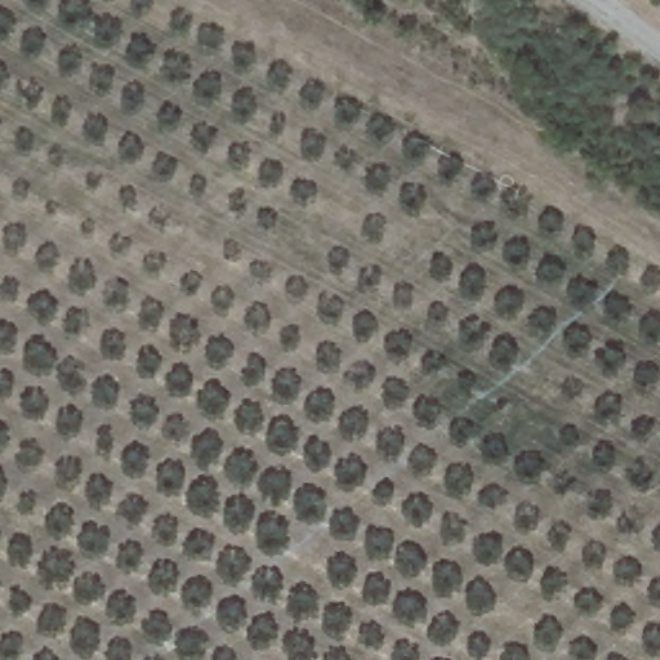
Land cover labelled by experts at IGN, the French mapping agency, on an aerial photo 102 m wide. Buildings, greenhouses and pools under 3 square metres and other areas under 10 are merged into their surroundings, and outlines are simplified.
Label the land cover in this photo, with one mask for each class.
<instances>
[{"label":"herbaceous vegetation","instance_id":"1","mask_svg":"<svg viewBox=\"0 0 660 660\"><path fill-rule=\"evenodd\" d=\"M62 0H0V175H5L13 183L15 196L26 199L31 193L39 201H44L49 214H70L75 206L85 204V193L90 188H98L101 183H111L116 191H121V186H131L137 201L142 196L157 199L160 206L155 211L162 214L168 224L191 227L199 237L219 242L224 248V240H235L240 245V258L248 266L253 260H266L273 273L281 271L289 278L286 286L281 291H273L266 302L271 309V325L266 330H250L245 325L248 307L235 299L224 315H219L211 299L191 315L199 320V340L191 348H173L170 322L180 312L175 307H165L157 327H142L139 309L126 302L111 307L106 302L95 309H88V327L80 330V335H72L64 333V317L75 307L72 296L77 294L70 289V278L59 281L52 271H41L31 284L23 286H18V281L10 276L0 284V320H8V322H13V325H15V343H13V351H8V353H3V351H0V588L10 593L18 585L31 596V606L23 614H15L10 603L0 606V637L5 632H21V650L36 655L46 647L59 660H106L108 642L113 637L129 639L131 660H180L175 650L162 652V642H152L142 632L144 619L155 608L170 616V634L165 637L168 642H175L180 629L188 626L206 632L201 660H289L284 650L286 632L307 629L312 634L315 629H320L325 621L327 603H345L351 608V624L358 629L364 621H376L384 632L382 647L389 652L394 650L397 639L418 645V660H503V650L508 642H523L529 647L531 660H575L570 655V642L575 637H590L596 642L598 650L593 660H660V655H647L642 629L650 621H660V371L657 382L645 389V394H639L634 384V366L639 361L660 364V340L652 343L639 333V320L647 309H660V245L652 240L634 235L626 248L629 271L611 276L603 286H598L590 304L578 309L570 302L567 281L559 278L557 284H541L536 278V260L529 258L523 266H510L503 258L505 242L510 237H531L539 229V214L547 206L541 199L531 196L526 214L510 217L500 204L503 191L495 186L487 199L480 201L472 193L474 173L464 165L451 183L441 178L438 160L449 152H456L454 139L431 137L428 155L423 160H410L402 152V139L418 129L415 113H397L394 119V131L384 142H379L366 131L371 113L376 111L374 106L361 103V113L353 124L335 121V103L327 98H322L315 108H307L299 98V90L307 80H312L307 70L291 67V77L284 90H276L268 83V72L260 77L250 67L240 72L232 59H222L217 49L199 44V28L204 23L199 15H191V26L186 34L170 26L155 28L150 23L144 13L152 8V0H90L95 13H111L121 21L119 39L111 46L101 49L95 44V23L85 21L64 26L59 21ZM26 28L44 31L46 41L41 54L21 52V39ZM131 34H147L155 44V54L139 67L126 59ZM70 44L80 49V67L72 75L59 70V52ZM168 49L183 52L191 59V72L183 83H168L162 75V59ZM95 64L113 67V83L108 93H101L90 85V70ZM209 70L222 72V93L214 101L196 98L193 93L199 75ZM15 77H39L44 95L36 106H28L26 98L15 93ZM137 80L144 85V101L139 111L126 113L121 106V93L129 83ZM240 88H250L255 95V113L245 124H240L232 111V95ZM57 95L70 98L72 111L67 116V124H57L52 119V106ZM168 101L180 106V124L170 131H160L157 111ZM90 113H103L108 119V131L103 142H90L83 131L85 119ZM193 124L217 126V139L206 152L196 150L191 139ZM304 129H317L320 134H325V150L317 160L302 157ZM124 131H137L142 137L144 150L134 162H126L119 155V139L124 137ZM232 142L250 144V160L240 170H232L227 160V150ZM160 152L173 155L178 162L175 173L168 180H162L152 170V162ZM263 160L281 162L284 173L276 186L260 183L258 170ZM374 162L389 165V183L382 193H371L366 188V168ZM296 178L317 183V196L307 204L291 196V183ZM402 183L425 186V204L418 214H407L402 209ZM366 214H384V235L379 242H371L361 229ZM485 219L495 222L498 240L492 248L482 250L472 245V227L474 222ZM335 245L348 250V266L340 273H333L327 260V253ZM433 253H443L451 260V273L443 281H436L431 276ZM469 263H480L485 268V291L477 299H467L459 291L461 271ZM364 266L382 268L379 284L366 291L356 286L358 271ZM400 281L413 284L410 307H397L392 299L394 284ZM503 286H518L523 291V304L513 317H500L495 309V294ZM41 289L57 296V309L49 322H39L28 312V296ZM322 291L343 299V315L338 322H325L320 317L317 296ZM611 291L626 294L632 302V312L606 325L603 302ZM544 304L557 309V322L549 333L529 327V315ZM361 309H369L376 317V330L369 340H358L353 333V317ZM428 312L431 320L443 322L446 333L454 340L459 338V322L469 315H480L485 322H490V330L474 348V364H485L490 358L492 343L503 333L513 335L518 343L516 361L485 389H472L480 405H474V410L467 415L474 420V431L472 438H467L464 443L456 446L451 441L449 423L441 418L436 420V425H420L413 413L415 397L410 394L397 407L384 405V382L389 376H413L420 369L423 358L410 353L407 358H392L384 348V338L392 330H407L415 322V317H423ZM572 322H583L590 327V343L580 356H572L562 340L565 327ZM106 330L124 333L121 358L103 356L101 335ZM31 335H44L59 356H72L83 364L80 392H67L59 384L57 371L34 374L26 369L23 348ZM214 335H224L232 340L235 351L224 366H211L206 358V343ZM322 340H333L340 348V364L330 371H322L317 366V345ZM606 340H621L626 353V361L611 376L603 374V369L596 361V351L603 348ZM144 345H155L160 353V366L155 376H142L137 369V358ZM250 353H260L266 358V371L255 384H245L242 379V369L248 366ZM356 361H369L376 369L374 379L364 389H356L351 382H345V371H353ZM175 364H188L193 374L188 394L183 397H175L165 384ZM278 369H296L302 376L299 392L289 402H278L273 394V376ZM101 376H113V382L119 384V400L113 407H101L93 400V384ZM209 379H219L229 389V402L219 418L204 415L196 402L199 392ZM565 379H580L583 392L593 397L608 389L619 392L621 415L603 423L590 413L578 425L580 443L554 456L536 480L521 482L516 474V456L521 451H541L547 443H554L559 438L562 425H567L565 418L570 413L572 400L559 392ZM26 387H41L46 392L49 407L41 418H28L23 413L21 394ZM317 387H327L335 397L333 410L325 420H312L304 410L307 397ZM139 394H150L157 402V418L152 425H137L131 420V400ZM242 400H253L263 407L258 431L237 428L235 413L242 405ZM67 405H75L83 413V428L75 436H59L57 431V413ZM348 407H364L369 413L366 433L353 436L351 441L338 431L340 415ZM173 413H180L188 423L180 441H173L162 433L165 420ZM273 415H289L296 425V443L286 454H276L268 449L266 436ZM394 425L402 428L405 443L397 459L387 461L376 449V433ZM206 428L219 433L222 449L211 464H196L191 443ZM490 433H503L508 438V456L498 464L482 459L480 443ZM309 436H317L330 446V456L322 469H312L304 459V446ZM26 438H36L44 451V459L36 467H21L15 461L21 441ZM134 441L144 443L150 451L147 467L137 477L126 474L121 464L124 449ZM598 441H611L616 446V461L606 472H601L593 461V449ZM418 443H428L436 449L433 469L420 477L413 474L407 464ZM240 446L250 449L260 467H286L294 482L322 487V523L330 526L333 513L338 508H353V513L358 516L353 539L333 536V531L327 529L315 544V552L325 565L335 552H345L356 559V575L351 585H333L327 570L315 572L309 567H302L299 562L286 559L284 552H263L255 529L232 531L224 523L227 498L237 495L235 482L227 477L224 467L229 454ZM351 454H358L366 461V477L353 490H343L338 485L335 467L340 459ZM62 456H80L83 461L80 477L67 490L57 485V459ZM637 456H642L647 469L652 472V482L647 490H637L626 477ZM165 459H180L186 469L175 495L162 492L157 485V464ZM454 461L469 464L474 474L469 490L459 498H451L443 482L446 467ZM98 472L111 480V495L103 505L95 508L90 505L85 487L90 474ZM196 477L217 480V505L209 516H199L188 508V490ZM492 482L505 487L508 492L505 503L498 508H487L480 503V490ZM596 490L611 492V510L598 518L588 513V500L596 495ZM410 492H425L433 505L431 516L420 526L402 513V503ZM129 495H142L147 500V510L139 523L126 521L119 513V505ZM523 500L539 505L541 510V518L531 531H521L516 526V505ZM59 503L70 505L75 513L72 526L64 536L49 534L44 523L46 513ZM632 505L642 510L645 523L639 531L621 534L616 523ZM162 513L178 518V531L170 544H162L152 534L155 518ZM443 513H456L467 521L461 541H443ZM85 521L108 526V547L98 557L85 552L77 541ZM557 521H567L572 529L565 549H554L549 541V529ZM369 526H384L394 531L389 554L382 559H371L366 552ZM193 529L214 534V544L204 557H191L183 549L186 536ZM487 531H498L503 536L500 547L508 552L513 547L531 549L534 570L526 580H516L505 570V565L477 562L474 539ZM13 534L31 536V557L26 565H15L8 559V544ZM129 539L142 544V559L134 570H124L116 562L119 547ZM590 539L606 544V559L601 567H588L583 559V547ZM402 541H418L425 549V565L418 575H402L397 567ZM227 544L242 547L250 557V565L242 572L240 583H227L217 570L219 554ZM49 547L70 549L75 562L70 578L64 583H54L52 588H46L39 578V562ZM626 554L639 559L642 575L634 583L621 585L614 578V565ZM155 559H173L178 565V580L168 593H155L150 588L147 578ZM441 559H454L461 567L459 585L443 598L433 588V567ZM263 565H273L284 575L276 598H260L253 590V578ZM547 567H559L565 572V588L554 593V598L549 601L541 593V575ZM85 572H95L103 580L101 596L90 603L75 598V583ZM371 572H382L389 580V593L384 603L364 601V583ZM196 575H204L211 583V596L206 606L214 611L219 608V601L227 596L245 598L248 611L237 629H224L217 616L204 619L201 606L183 603V585ZM474 578H487L495 590V606L485 614H474L467 606V585ZM296 583H309L317 590V606L312 616L294 619L289 614V596ZM583 588L601 590L603 603L596 614L578 611L575 593ZM113 590H126L134 598V614L124 624H119L106 611ZM400 590H420L425 596V614L415 624H402L394 619L392 608ZM49 603L64 608V624L57 634H41L36 626L41 608ZM619 603H626L634 611V621L626 632H614L611 626V611ZM266 611L276 616L278 626L276 639L268 647L258 650L250 645L248 629L253 624V616ZM441 611H451L459 621L454 639L446 645H436L428 637V626ZM547 614L557 616L562 624V634L554 650H547L534 637L536 621ZM83 616L98 621L101 629L98 647L93 650V655H77L70 642L72 629ZM472 632H485L490 637V650L485 657H474L469 652L467 639Z\"/></svg>","mask_w":660,"mask_h":660},{"label":"deciduous trees","instance_id":"2","mask_svg":"<svg viewBox=\"0 0 660 660\"><path fill-rule=\"evenodd\" d=\"M59 21L64 26L85 21L95 23V44L101 49L111 46L119 39L121 21L111 13H95L90 0H62ZM358 10H364L366 23L397 26V36H407L413 46L420 49L438 46L441 52L451 54L454 72L467 75L469 85H487L492 90H500L529 119H536L541 124L539 142L544 147H552L572 175L585 178L588 188L596 191L601 201L616 204L624 211H629L634 204L647 209L645 219L657 224L650 232L652 240L660 245V67L650 64L639 52H629L619 41L616 31L598 28L588 18V13L578 10L567 0H351ZM170 26L186 34L191 26V15L186 8H175L170 13ZM224 28L219 23H204L199 28V44L217 49L222 44ZM46 41L44 31L26 28L21 39V52L41 54ZM155 54V44L147 34H131L126 59L139 67ZM240 72L250 67L255 62L253 41H235L232 59ZM80 67V49L70 44L59 52V70L72 75ZM191 72V59L183 52L168 49L162 59V75L168 83H183ZM291 77V67L286 59H276L271 62L268 72V83L276 90H284ZM113 83V67L95 64L90 70V85L101 93H108ZM193 93L196 98L214 101L222 93V72L209 70L199 75ZM15 93L26 98L28 106H36L44 95L39 77H15ZM299 98L307 108H315L322 98H327L335 103V121L353 124L361 113V103L358 98L343 95L338 88L325 85L317 77L312 80H307L299 90ZM144 101V85L137 80L129 83L121 93V106L126 113L139 111ZM232 111L240 124H245L255 113V95L250 88H240L232 95ZM72 111L70 98L57 95L52 106V119L57 124H67V116ZM160 131H170L180 124V106L168 101L157 111ZM366 131L379 142H384L394 131V119L384 111H376L371 113ZM83 131L90 142H103L108 131V119L103 113H90L85 119ZM191 139L196 150L206 152L217 139V126L193 124ZM325 150V134H320L317 129H304L302 157L317 160ZM431 137L418 129L402 139V152L410 160H423L428 155ZM144 150L142 137L137 131H124V137L119 139V155L126 162H134ZM227 160L232 170H240L250 160V144L232 142L227 150ZM178 162L173 155L160 152L152 162V170L162 180H168L175 173ZM464 165V157L456 152H449L438 160L441 178L451 183ZM284 173L281 162L263 160L258 170L260 183L276 186ZM389 183V165L374 162L366 168V188L371 193H382ZM495 186L492 173H474L472 193L480 201L487 199ZM291 196L307 204L317 196V183L296 178L291 183ZM402 209L407 214H418L425 204V186L402 183ZM531 196L526 186L516 183L503 191L500 204L510 217L526 214ZM565 214L557 206H547L539 214V229L531 237H510L505 242L503 258L510 266H523L529 258L536 260V278L541 284H557L559 278L567 281L570 302L578 309L590 304L598 286H603L611 276L629 271L626 248H611L606 260L598 263L593 258L596 232L588 224H578L572 232V245L562 248L557 235L562 229ZM361 229L371 242H379L384 235V214H366ZM498 240L495 222L485 219L474 222L472 227V245L482 250L492 248ZM3 245L8 253H18L26 245V224L13 222L3 229ZM224 258H229V271L245 273L250 268V273L260 281H268L273 273L266 260H253L248 266L240 258V245L235 240H224ZM36 263L41 271H52L59 281L70 278V289L77 294L88 291L95 284L90 258H75V263L70 266L59 258L54 242H41L36 250ZM327 260L333 273H340L348 266V250L335 245L327 253ZM451 273V260L443 253H433L431 276L436 281H443ZM459 291L467 299H477L485 291V268L480 263H469L461 271ZM382 268L364 266L358 271L356 286L366 291L379 284ZM129 281L113 278L106 286V302L111 307L126 302ZM392 299L397 307H410L413 284L400 281L394 284ZM235 299L232 286H217L211 291V299L219 315H224ZM523 304V291L518 286H503L495 294V309L500 317H513ZM57 309V296L41 289L28 296V312L39 322H49ZM320 317L325 322H338L343 315V299L322 291L317 296ZM606 325L632 312V302L626 294L611 291L603 302ZM165 307L160 299L144 296L139 309L142 327H157ZM245 325L250 330H266L271 325V309L266 302H253L248 307ZM557 322V309L544 304L529 315V327L549 333ZM88 327V309L75 307L64 317V333L72 335H80V330ZM376 330V317L369 309H361L353 317V333L358 340H369ZM639 333L652 343L660 340V309H647L639 320ZM199 340V320L191 315L180 312L170 322L173 348H191ZM490 330V322H485L480 315H469L459 322V338L454 340L443 345V351H425L423 358L420 369L413 376H389L384 382V405L397 407L410 394L415 397L413 413L420 425H436V420L441 418L449 423L451 441L456 446L464 443L467 438H472L474 431V420L467 415L474 410V405H480L472 389H485L516 361L518 343L513 335L503 333L492 343L490 358L485 364H474V348ZM13 343H15V325H13V322H8V320H0V351H3V353H8V351H13ZM562 340L572 356H580L590 343V327L583 322H572L565 327ZM384 348L392 358H407L410 353L413 333L407 330H392L384 338ZM103 356L121 358L124 333L106 330L101 335ZM26 369L34 374L57 371L59 384L67 392H80L83 364L72 356H59L44 335H31L23 348ZM235 351L232 340L224 335H214L206 343V358L211 366H224ZM340 364V348L333 340H322L317 345V366L322 371H330ZM596 361L603 369V374L611 376L626 361V353L621 340H606L603 348L596 351ZM160 366V353L155 345H144L137 358V369L142 376H155ZM266 371V358L260 353H250L248 366L242 369V379L245 384H255ZM376 369L369 361H356L353 371H345V382H351L356 389H364L374 379ZM660 371V364L639 361L634 366V384L639 394H645V389L657 382ZM193 374L188 364H175L165 384L175 397H183L188 394ZM302 376L296 369H278L273 376V394L278 402H289L299 392ZM93 400L101 407H113L119 400V384L113 382V376H101L93 384ZM196 402L204 415L219 418L229 402V389L219 379H209L199 392ZM559 392L572 400L570 413L565 418L567 425H562L559 438L554 443H547L541 451H521L516 456V474L521 482L536 480L554 456L580 443L578 425L590 413L603 423L621 415L619 392L608 389L593 397L583 392L580 379H565ZM23 413L28 418H41L49 407L46 392L41 387H26L21 394ZM335 397L327 387H317L307 397L304 410L312 420H325L333 410ZM157 418V402L150 394H139L131 400V420L137 425H152ZM263 407L253 400H242V405L235 413L237 428L258 431ZM83 428V413L75 405H67L57 413V431L59 436H75ZM369 413L364 407H348L340 415L338 431L351 441L353 436L366 433ZM188 423L180 413H173L165 420L162 433L173 441H180ZM268 449L276 454H286L296 443V425L289 415H273L266 436ZM405 443L402 428L394 425L376 433V449L387 461L397 459ZM222 449L219 433L206 428L191 443L196 464H211ZM482 459L498 464L508 456V438L503 433H490L480 443ZM330 456V446L317 436H309L304 446V459L312 469H322ZM44 459V451L36 438H26L21 441L15 461L21 467H36ZM150 451L144 443L134 441L124 449L121 464L126 474L137 477L147 467ZM593 461L601 472H606L616 461V446L611 441H598L593 449ZM407 464L413 474L420 477L433 469L436 449L428 443H418ZM227 477L235 482L237 495L227 498L224 523L232 531L255 529L263 552H284L286 559L299 562L302 567H309L315 572L327 570L333 585H351L356 575V559L345 552H335L325 565L315 552V544L327 529L333 531V536L353 539L358 516L353 513V508H338L333 513L330 526L322 523V487L294 482L286 467H260L250 449L240 446L229 454L224 467ZM338 485L343 490H353L366 477V461L358 454H351L340 459L335 467ZM83 461L80 456H62L57 459V485L67 490L80 477ZM626 477L637 490H647L652 482V472L647 469L642 456H637ZM186 469L180 459H165L157 464V485L162 492L175 495ZM474 474L469 464L454 461L446 467L443 482L451 498H459L469 490ZM90 505L95 508L103 505L111 495V480L98 472L90 474L85 487ZM217 480L196 477L188 490V508L199 516H209L217 505ZM508 492L505 487L492 482L480 490V503L487 508H498L505 503ZM611 510V492L596 490V495L588 500V513L598 518ZM433 505L425 492H410L402 503V513L420 526L431 516ZM147 510V500L142 495H129L119 505V513L126 521L139 523ZM541 518V510L539 505L523 500L516 505V526L521 531H531ZM75 513L70 505L59 503L46 513L44 523L49 534L64 536L72 526ZM645 523L642 510L632 505L616 523L621 534L639 531ZM178 531V518L162 513L155 518L152 534L162 544H170ZM467 521L456 513H443V541H461ZM77 541L85 552L98 557L108 547V526L85 521ZM572 529L567 521H557L549 529V541L554 549H565ZM394 531L384 526H369L366 552L371 559H382L389 554ZM214 544V534L193 529L186 536L183 549L191 557H204ZM503 536L498 531H487L474 539L477 562L505 565V570L516 580H526L534 570L531 549L513 547L508 552L500 547ZM31 557V536L13 534L8 544V559L15 565H26ZM142 559V544L129 539L119 547L116 562L124 570H134ZM583 559L588 567H601L606 559V544L590 539L583 547ZM425 565V549L418 541H402L397 567L402 575H418ZM250 565V557L242 547L227 544L219 554L217 570L227 583H240L242 572ZM75 562L70 549L49 547L39 562V578L46 588H52L54 583H64L70 578ZM642 575L639 559L626 554L614 565V578L621 585L634 583ZM150 588L155 593H168L178 580V565L173 559H155L147 578ZM461 567L454 559H441L433 567V588L443 598L459 585ZM284 575L273 565H263L253 578V590L260 598H276ZM565 588V572L559 567H547L541 575V593L549 601L554 598V593ZM103 580L95 572H85L75 583V598L90 603L101 596ZM389 593V580L382 572H371L364 583V601L384 603ZM211 596V583L204 575H196L183 585V603L201 606L204 619L217 616L224 629H237L248 611L245 598L227 596L219 601V608L214 611L206 606ZM467 606L474 614H485L495 606V590L487 578H474L467 585ZM317 606V590L309 583H296L289 596V614L294 619L312 616ZM10 603L15 614H23L31 606V596L18 585L10 593L0 588V606ZM603 603L601 590L583 588L575 593L578 611L596 614ZM106 611L119 624H124L134 614V598L126 590H113ZM394 619L402 624H415L425 614V596L420 590H400L392 608ZM64 624V608L49 603L41 608L36 626L41 634H57ZM384 632L376 621H364L358 629L351 624V608L345 603H327L325 621L320 629H315L312 634L307 629L286 632L284 650L289 660H418V645L397 639L394 650L389 652L382 647ZM634 621V611L626 603H619L611 611V626L614 632H626ZM142 632L152 642H162V652L175 650L180 660H201L206 632L188 626L180 629L175 642H168L165 637L170 634V616L155 608L144 619ZM278 626L276 616L266 611L253 616V624L248 629L250 645L258 650L268 647L276 639ZM459 621L451 611H441L428 626V637L436 645H446L454 639ZM562 634V624L557 616L547 614L536 621L534 637L547 650H554ZM101 629L98 621L83 616L72 629L70 642L77 655H93V650L98 647ZM647 655H660V621H650L642 629ZM21 632H5L0 637V660H59L46 647L36 655L21 650ZM469 652L474 657H485L490 650V637L485 632H472L467 639ZM106 660H131L129 639L113 637L108 642ZM598 650L596 642L590 637H575L570 642V655L575 660H593ZM503 660H531L529 647L523 642H508L503 650Z\"/></svg>","mask_w":660,"mask_h":660},{"label":"plowed land","instance_id":"3","mask_svg":"<svg viewBox=\"0 0 660 660\"><path fill-rule=\"evenodd\" d=\"M175 8H186L191 15H199L204 23H219L224 28L222 44L217 49L222 59H232L235 41H253L255 62L250 67L260 77L268 72L271 62L276 59H286L291 67L307 70L312 80L317 77L325 85L338 88L343 95L358 98L361 103L374 106L376 111H384L394 119L397 113H415L418 129L431 137L454 139L456 152L464 157V165L474 173H492L495 186L503 191L516 183L526 186L531 196L541 199L547 206H557L565 214L562 229L557 235L562 248L572 245V232L578 224H588L596 232L593 258L598 263L606 260L611 248H626L634 235L652 240L650 232L657 224L645 219L647 209L634 204L629 211H624L616 204L601 201L596 191L588 188L585 178L572 175L552 147H544L539 142L541 124L536 119H529L500 90H492L487 85H469L467 75L454 72L451 54L441 52L438 46L420 49L413 46L407 36H397V26L366 23L364 10H358L351 0H152V8L144 13L150 23L155 28L170 26V13ZM578 10L588 13V18L598 28L616 31L619 41L629 52H639L650 64L660 67V0H567ZM160 206L157 199L142 196L137 201L131 186H121V191H116L111 183H101L98 188H90L85 193V204L75 206L70 214H49L44 201H39L31 193L26 199L15 196L13 183L5 175H0V284L10 276L18 281V286H23L31 284L41 271L36 263V250L41 242H54L59 258L70 266L75 263V258H90L95 284L88 291L77 294L72 296L75 307L88 309H95L106 302V286L113 278L129 281L126 302L139 309L144 296L160 299L165 307H175L180 312L191 315L211 299V291L217 286H232L235 299L248 307L253 302H266L273 291H281L286 286L289 278L281 271L273 273L268 281H260L250 273V268L245 273L229 271V258H224V248L219 242L199 237L191 227L168 224L162 214L155 211ZM13 222L26 224V245L18 253H8L3 245V229ZM407 330L413 333L410 353L423 358L425 351H443V345L454 340L446 333L443 322L431 320L428 312L423 317H415V322Z\"/></svg>","mask_w":660,"mask_h":660}]
</instances>
